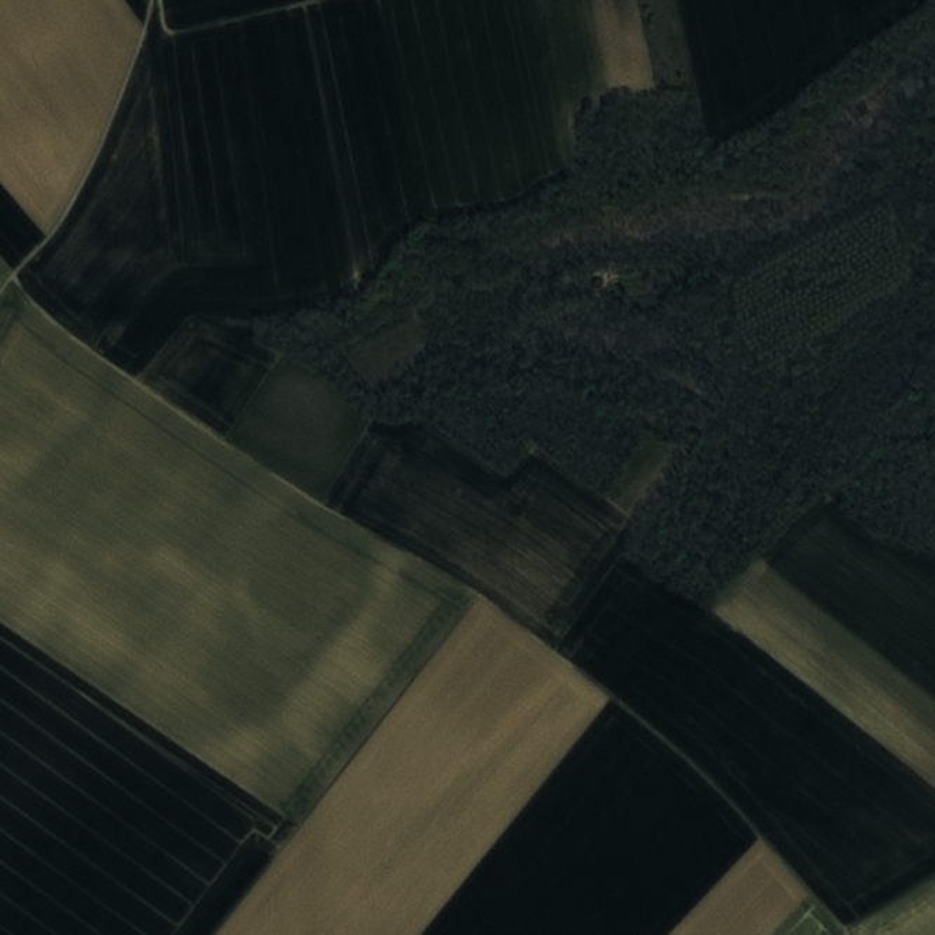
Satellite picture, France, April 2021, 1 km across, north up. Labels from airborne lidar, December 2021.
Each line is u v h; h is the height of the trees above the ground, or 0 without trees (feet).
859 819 0
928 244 51
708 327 80
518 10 0
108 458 0
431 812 0
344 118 0
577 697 0
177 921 0
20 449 0
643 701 0
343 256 0
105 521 0
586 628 0
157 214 0
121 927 0
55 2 0
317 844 0
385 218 0
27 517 0
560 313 104
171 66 0
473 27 0
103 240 0
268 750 0
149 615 0
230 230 0
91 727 0
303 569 0
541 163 0
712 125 0
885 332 45
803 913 0
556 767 0
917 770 0
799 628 0
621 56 0
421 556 0
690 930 0
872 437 57
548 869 0
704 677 0
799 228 67
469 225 28
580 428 65
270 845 0
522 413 72
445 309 69
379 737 0
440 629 0
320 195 0
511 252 46
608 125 68
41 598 0
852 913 0
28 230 0
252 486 0
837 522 0
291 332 64
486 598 0
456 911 0
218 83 0
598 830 0
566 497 0
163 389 0
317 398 0
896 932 0
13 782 0
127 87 0
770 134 32
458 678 0
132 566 0
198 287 0
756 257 49
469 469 0
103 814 0
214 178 0
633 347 47
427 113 0
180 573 0
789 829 0
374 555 0
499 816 0
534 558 0
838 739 0
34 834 0
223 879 0
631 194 51
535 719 0
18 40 0
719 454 56
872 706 0
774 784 0
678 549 66
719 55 0
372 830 0
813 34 0
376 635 0
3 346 0
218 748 0
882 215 96
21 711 0
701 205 64
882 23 0
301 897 0
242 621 0
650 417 46
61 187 0
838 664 0
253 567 0
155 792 0
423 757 0
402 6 0
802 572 0
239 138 0
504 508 0
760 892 0
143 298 0
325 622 0
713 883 0
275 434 0
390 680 0
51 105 0
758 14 0
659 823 0
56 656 0
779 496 66
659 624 0
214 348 0
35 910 0
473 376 75
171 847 0
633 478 0
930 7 58
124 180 0
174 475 0
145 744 0
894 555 0
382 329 23
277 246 0
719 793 0
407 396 60
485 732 0
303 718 0
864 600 0
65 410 0
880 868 0
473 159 0
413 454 0
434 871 0
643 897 0
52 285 0
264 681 0
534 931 0
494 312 43
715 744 0
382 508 0
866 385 60
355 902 0
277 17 0
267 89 0
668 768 0
